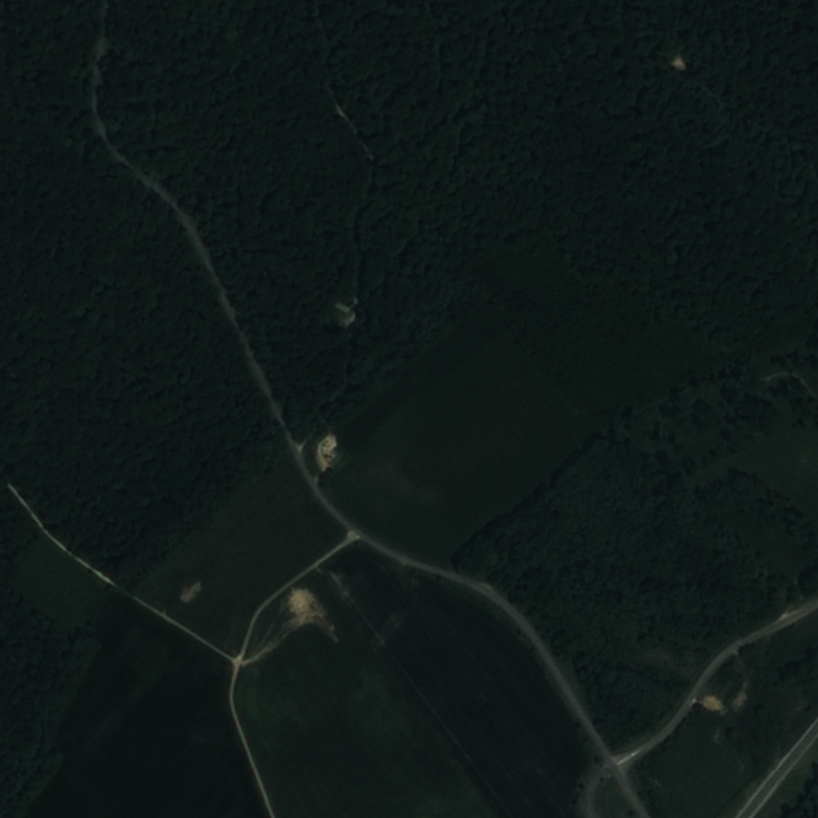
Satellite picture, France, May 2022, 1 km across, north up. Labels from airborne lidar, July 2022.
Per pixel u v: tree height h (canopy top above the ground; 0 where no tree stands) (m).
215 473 32
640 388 8
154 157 30
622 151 27
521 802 0
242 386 25
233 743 0
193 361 31
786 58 30
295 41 27
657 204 30
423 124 23
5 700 27
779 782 0
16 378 28
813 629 0
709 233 31
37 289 31
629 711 19
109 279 29
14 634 28
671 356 7
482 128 24
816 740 0
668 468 24
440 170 24
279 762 0
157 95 27
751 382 27
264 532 0
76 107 28
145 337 27
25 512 22
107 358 33
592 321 8
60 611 0
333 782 0
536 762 0
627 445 24
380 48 30
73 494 28
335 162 31
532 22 25
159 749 0
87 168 29
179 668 0
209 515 25
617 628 24
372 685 0
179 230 21
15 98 29
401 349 15
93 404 30
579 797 9
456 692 0
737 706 0
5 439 33
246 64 29
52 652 30
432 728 0
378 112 26
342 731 0
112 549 28
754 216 23
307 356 28
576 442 0
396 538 0
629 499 25
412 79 29
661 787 0
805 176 24
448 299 18
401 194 29
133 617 0
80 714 0
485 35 22
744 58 24
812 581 21
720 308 22
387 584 0
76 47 28
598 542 23
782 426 0
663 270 29
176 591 0
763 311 23
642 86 11
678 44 27
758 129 12
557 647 16
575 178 29
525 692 0
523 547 25
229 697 0
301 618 0
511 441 0
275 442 27
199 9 33
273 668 0
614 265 24
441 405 0
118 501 30
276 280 26
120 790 0
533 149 26
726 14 22
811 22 22
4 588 32
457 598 0
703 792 0
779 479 0
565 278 9
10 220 27
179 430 31
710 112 23
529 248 8
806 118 27
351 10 22
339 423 23
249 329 28
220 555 0
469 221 23
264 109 32
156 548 29
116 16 25
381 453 0
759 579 13
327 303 27
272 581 0
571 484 20
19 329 28
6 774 24
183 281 29
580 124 30
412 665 0
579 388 7
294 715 0
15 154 31
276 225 23
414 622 0
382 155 29
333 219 24
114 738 0
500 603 0
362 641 0
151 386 27
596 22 29
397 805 0
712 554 18
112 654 0
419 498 0
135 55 30
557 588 24
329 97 25
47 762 26
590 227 27
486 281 11
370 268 30
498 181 24
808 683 9
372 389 22
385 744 0
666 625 23
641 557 23
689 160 28
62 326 31
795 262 27
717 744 0
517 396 0
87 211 30
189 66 29
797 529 17
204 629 0
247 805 0
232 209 30
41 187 28
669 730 0
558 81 25
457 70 28
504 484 0
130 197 27
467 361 0
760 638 0
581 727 12
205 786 0
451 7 27
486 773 0
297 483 0
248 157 32
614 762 0
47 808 0
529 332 9
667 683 7
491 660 0
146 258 27
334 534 0
